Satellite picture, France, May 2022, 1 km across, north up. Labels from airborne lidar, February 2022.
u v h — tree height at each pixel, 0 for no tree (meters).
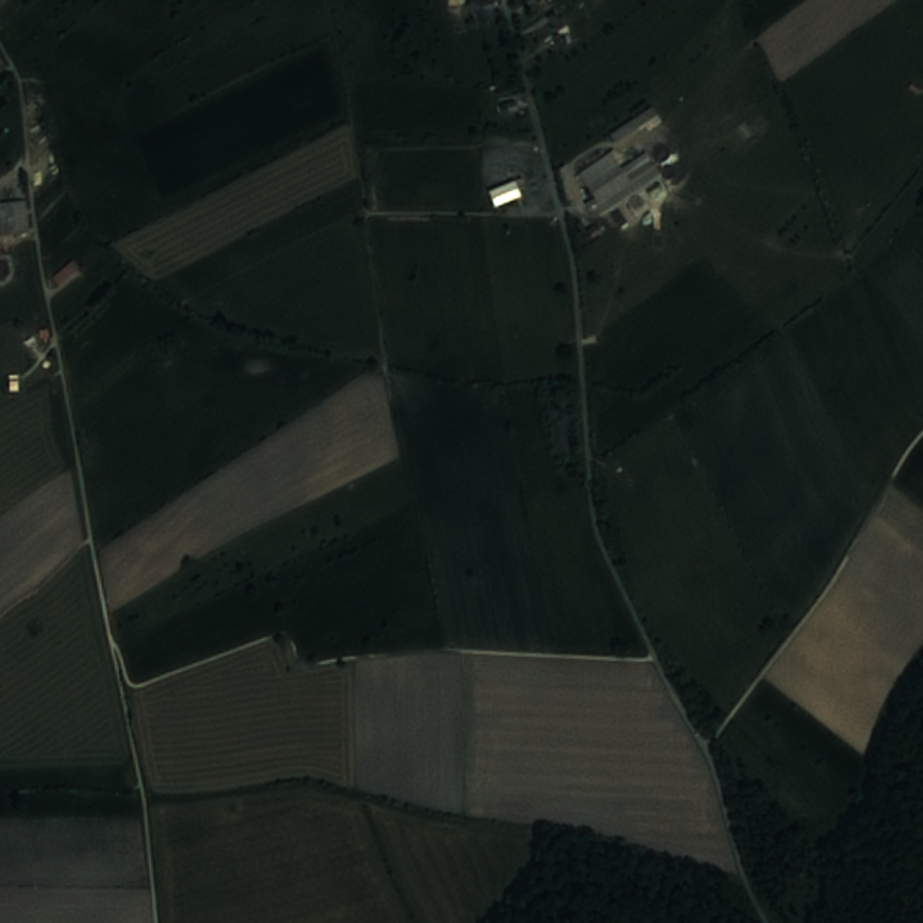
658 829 0
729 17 0
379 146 0
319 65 0
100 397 0
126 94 0
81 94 0
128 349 0
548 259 0
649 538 0
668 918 28
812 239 0
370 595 0
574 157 0
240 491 0
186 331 0
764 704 0
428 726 0
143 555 0
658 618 0
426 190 0
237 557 0
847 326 0
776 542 0
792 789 0
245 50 0
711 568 0
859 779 0
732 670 0
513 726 0
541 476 0
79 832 0
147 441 0
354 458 0
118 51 0
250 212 0
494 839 0
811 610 0
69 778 0
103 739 0
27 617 0
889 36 0
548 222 0
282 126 0
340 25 0
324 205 0
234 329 11
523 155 0
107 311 0
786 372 0
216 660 0
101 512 0
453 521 0
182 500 0
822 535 0
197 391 0
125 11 0
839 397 0
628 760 0
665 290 0
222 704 0
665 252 0
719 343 0
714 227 0
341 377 0
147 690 0
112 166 0
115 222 0
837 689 0
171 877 0
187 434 0
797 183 0
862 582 0
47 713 0
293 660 0
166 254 0
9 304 0
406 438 0
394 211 0
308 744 0
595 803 0
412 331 0
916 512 0
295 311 0
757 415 0
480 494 0
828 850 23
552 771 0
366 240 0
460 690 0
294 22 0
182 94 0
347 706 0
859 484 0
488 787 0
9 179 0
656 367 0
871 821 27
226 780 0
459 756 0
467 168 0
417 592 0
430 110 0
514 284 0
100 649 0
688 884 27
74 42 0
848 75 0
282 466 0
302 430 0
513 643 0
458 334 0
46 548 0
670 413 0
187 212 0
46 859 0
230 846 0
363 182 0
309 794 0
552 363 0
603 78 0
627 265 0
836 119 0
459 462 0
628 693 0
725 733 0
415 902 0
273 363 0
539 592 0
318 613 0
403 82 0
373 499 0
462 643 0
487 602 0
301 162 0
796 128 8
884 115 0
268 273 0
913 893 27
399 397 0
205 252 0
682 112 0
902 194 0
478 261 0
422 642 0
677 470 0
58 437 0
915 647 0
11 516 0
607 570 0
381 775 0
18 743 0
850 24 0
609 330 0
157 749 0
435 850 0
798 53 0
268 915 0
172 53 0
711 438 0
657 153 0
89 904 0
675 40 0
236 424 0
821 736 0
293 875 0
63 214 0
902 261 0
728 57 0
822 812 0
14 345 0
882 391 0
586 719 0
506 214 0
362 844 0
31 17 0
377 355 0
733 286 0
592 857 24
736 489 0
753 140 0
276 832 0
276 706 0
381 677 0
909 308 0
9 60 0
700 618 0
